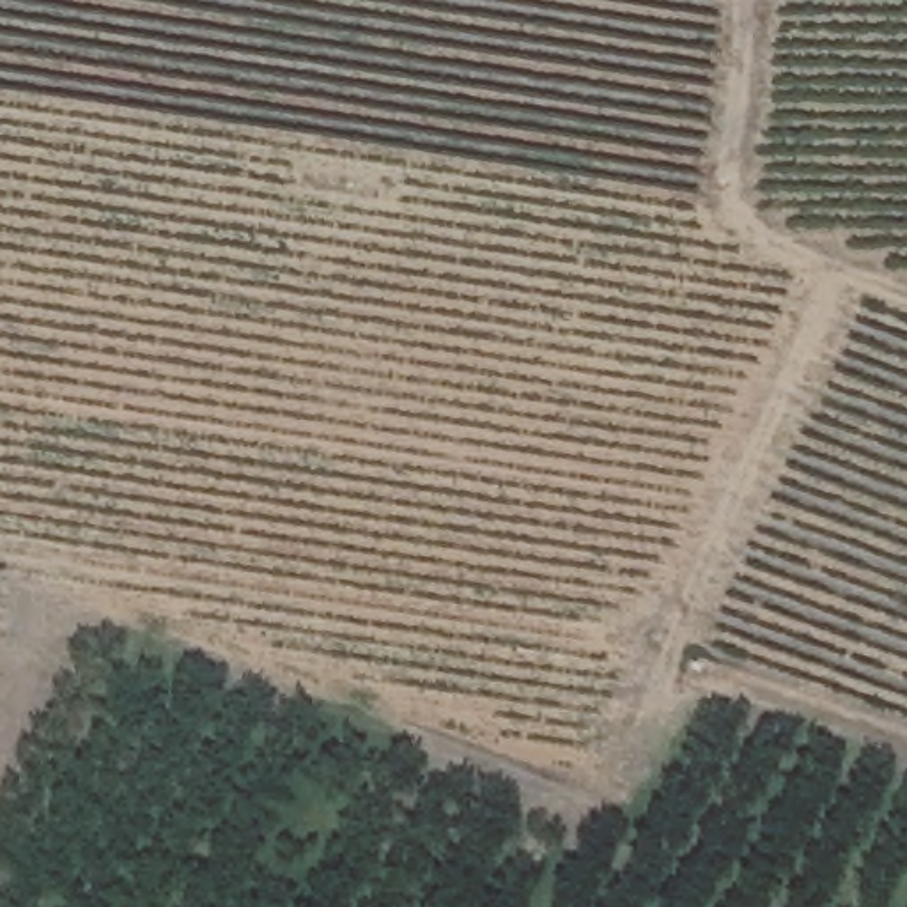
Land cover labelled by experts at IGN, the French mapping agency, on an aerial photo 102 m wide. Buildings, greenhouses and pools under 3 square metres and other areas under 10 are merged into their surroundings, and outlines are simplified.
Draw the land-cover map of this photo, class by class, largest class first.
<instances>
[{"label":"vineyard","instance_id":"1","mask_svg":"<svg viewBox=\"0 0 907 907\"><path fill-rule=\"evenodd\" d=\"M726 0H0V570L4 563L39 567V578H32L25 592L71 599L89 624L110 620L120 627H135L145 613L167 616L170 641H181L184 648H198L227 663V677L237 684L244 673H259L287 694L305 691L333 705H344L347 691H372L376 716L386 719L393 730L415 737L422 726L457 719L471 726L475 744L496 755L535 762L546 769L553 762H570L578 776L585 765H599V755L592 748L606 737L599 730L595 737H574V730H585L588 723L578 719V712H563L560 702L588 705V698H613L616 691L609 687V680H620V670H595V663L606 659V652L595 648L553 645L556 634L567 620H599L602 609H613V602L595 599L599 592L638 595V581L648 578L652 563L666 556V549H673L670 535H638L631 531V524L677 528L663 517L641 514L648 507H663V514H691L687 503H680V496H687L691 489H670V482H645L648 475L702 478L709 457L687 454L684 443L712 439L723 415H730V404H712V393H733L726 386H709L705 376L748 379L744 368H730L726 361H758L755 354L737 351V344L769 347L765 337H748V329H772L779 308L772 301L744 298L748 291L787 294L783 287L758 283V276H783L790 283V269L783 266L684 255V248L737 252V241L680 237V227H702L698 209H719V177L716 159L709 152V135H716L719 128L712 99V60L719 53V7ZM779 35L772 57V117L765 142L758 145V156H765V170L758 181L755 209L769 230H790L804 248L826 259H840L850 269L868 273L893 269L907 283V0H776ZM804 436L790 450L783 478L772 489V500L783 507L772 510L769 521L751 531L748 567L744 574H733L719 609L723 613L716 620L712 641L684 645L677 663L680 673L702 670V663H751L790 680L826 687L875 712L907 719V308L886 305L872 294L861 298V315L854 319L850 340L826 372L818 411L808 415L801 429Z\"/></svg>","mask_w":907,"mask_h":907},{"label":"deciduous trees","instance_id":"2","mask_svg":"<svg viewBox=\"0 0 907 907\"><path fill-rule=\"evenodd\" d=\"M71 663L53 677L50 702L32 712L28 730L18 737L14 748L18 758L7 765L0 779V907H907V769L896 765L889 744L843 740L808 716L762 712L751 709L744 698L709 694L687 716L680 737L670 744V762L659 769V776H652L648 787L634 790V797L624 804L592 808L578 826L542 808H521L517 783L503 772H489L478 765L432 769L429 755L415 737L393 730L386 719L376 716L372 691H347L344 705H333L305 691L287 694L259 673H244L237 684L227 677V663L198 648H184L181 641H170L167 616L145 613L135 627H120L110 620L89 624L67 638Z\"/></svg>","mask_w":907,"mask_h":907},{"label":"pervious surface","instance_id":"3","mask_svg":"<svg viewBox=\"0 0 907 907\"><path fill-rule=\"evenodd\" d=\"M779 35L776 0H726L719 7V53L712 60V99L719 128L716 135H709V152L716 159L719 177V209H698L702 227H680V237L737 241V252L684 248V255L783 266L790 269V283L783 276H758V283L783 287L787 294L748 291L744 298L772 301L779 308L772 329H748V337H765L769 347L737 344V351L755 354L758 361H726L730 368H744L748 379L705 376L709 386H726L733 393H712V404H730V415H723L712 439L684 443L687 454L709 457L702 478L648 475L645 482H670V489H691L687 496H680V503H687L691 514H663V507H648L641 514L663 517L677 528L631 524V531L638 535H670L673 549H666V556L652 563L648 578L638 581V595L599 592L595 599L613 602V609H602L599 620H567L556 634L553 645L595 648L609 631L631 627L655 613V595H645L648 585H663L666 592H673V585H684V599L691 606L719 609L733 574H744L748 567L751 531L769 521L772 510L783 507L772 500V489L783 478L790 450L804 436L801 429L808 415L818 411L826 372L850 340L854 319L861 315V298L872 294L886 305L907 308V283L893 269L868 273L850 269L840 259H826L804 248L790 230H769L755 209L758 181L765 170V156H758V145L765 142L772 117V57Z\"/></svg>","mask_w":907,"mask_h":907},{"label":"plowed land","instance_id":"4","mask_svg":"<svg viewBox=\"0 0 907 907\"><path fill-rule=\"evenodd\" d=\"M32 578H39V567L4 563L0 570V779L7 765L18 758L14 748L18 737L28 730L32 712L50 702L53 677L71 663L67 638L89 624L71 599L25 592ZM645 595H655V613L631 627L609 631L595 648L606 652V659L595 663V670H620V680H609V687L616 691L613 698H588V705L560 702L563 712H578V719L588 723L585 730H574V737H595L599 730L606 737L592 748L599 755V765H585L578 776L570 762H553L546 769L535 762L496 755L475 744L471 726L457 719L422 726L415 737L429 755L432 769L478 765L489 772H503L517 783L521 808H542L578 826L592 808L624 804L634 797V790L648 787L652 776H659V769L670 762V744L680 737L687 716L709 694L744 698L751 709L762 712L808 716L843 740L889 744L896 765L907 769V719L875 712L826 687L790 680L751 663H702V670L680 673L677 663L684 645L712 641L716 620L723 613L719 609L691 606L684 599V585H673V592H666L663 585H648Z\"/></svg>","mask_w":907,"mask_h":907}]
</instances>
